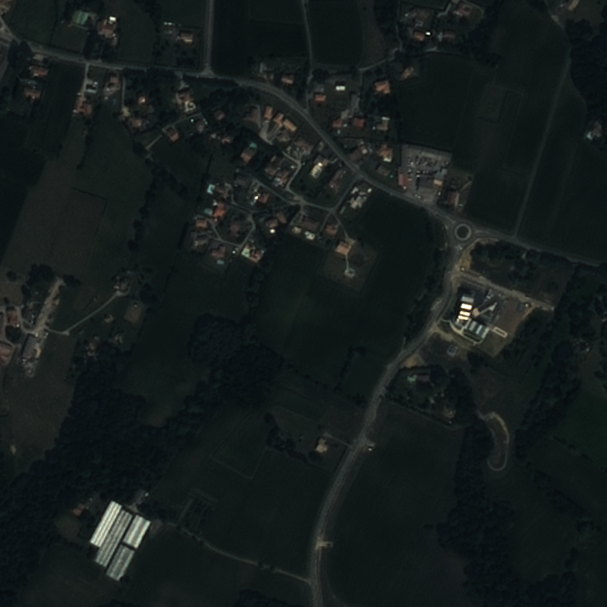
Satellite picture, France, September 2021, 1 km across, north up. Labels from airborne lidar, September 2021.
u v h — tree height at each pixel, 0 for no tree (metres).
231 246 0
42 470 20
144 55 0
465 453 15
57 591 0
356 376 0
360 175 0
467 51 15
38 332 0
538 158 0
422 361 0
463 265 0
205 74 0
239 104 21
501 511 20
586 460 8
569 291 11
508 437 0
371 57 0
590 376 0
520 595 12
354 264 0
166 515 14
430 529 7
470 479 11
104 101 0
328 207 0
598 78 21
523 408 0
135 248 16
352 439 0
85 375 13
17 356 0
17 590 12
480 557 19
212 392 19
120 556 0
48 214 0
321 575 0
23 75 10
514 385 0
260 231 6
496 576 20
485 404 0
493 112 0
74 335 0
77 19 0
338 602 0
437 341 0
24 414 0
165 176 17
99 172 0
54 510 16
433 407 10
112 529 0
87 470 29
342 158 0
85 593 0
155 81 18
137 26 0
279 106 0
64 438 18
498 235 0
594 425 0
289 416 0
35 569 18
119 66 0
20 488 12
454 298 0
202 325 21
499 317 0
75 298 0
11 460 0
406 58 9
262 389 21
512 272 0
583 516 15
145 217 14
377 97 7
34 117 8
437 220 0
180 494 0
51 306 0
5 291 0
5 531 18
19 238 0
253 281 16
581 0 0
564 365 20
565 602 17
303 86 8
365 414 0
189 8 0
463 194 0
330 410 0
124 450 24
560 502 18
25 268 0
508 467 0
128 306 0
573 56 12
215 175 0
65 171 0
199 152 9
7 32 0
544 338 10
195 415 25
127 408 17
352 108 0
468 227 0
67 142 0
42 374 0
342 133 0
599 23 0
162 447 21
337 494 0
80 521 10
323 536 0
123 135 0
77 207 0
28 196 0
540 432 19
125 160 0
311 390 0
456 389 19
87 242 0
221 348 26
